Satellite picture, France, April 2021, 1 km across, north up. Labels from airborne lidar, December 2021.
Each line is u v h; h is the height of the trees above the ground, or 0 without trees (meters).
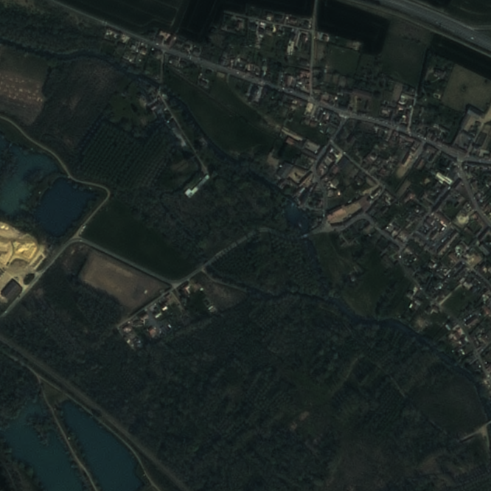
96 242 0
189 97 0
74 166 7
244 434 35
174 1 0
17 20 20
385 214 7
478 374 13
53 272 6
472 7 0
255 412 35
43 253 0
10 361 12
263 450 34
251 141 0
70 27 10
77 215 0
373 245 9
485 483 28
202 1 0
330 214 0
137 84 8
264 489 31
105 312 26
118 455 0
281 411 31
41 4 9
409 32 0
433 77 0
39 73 0
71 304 7
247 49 10
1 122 0
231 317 13
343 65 0
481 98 0
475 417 0
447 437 9
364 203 0
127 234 0
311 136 0
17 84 0
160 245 0
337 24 0
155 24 0
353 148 7
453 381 0
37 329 27
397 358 19
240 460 30
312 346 18
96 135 24
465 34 0
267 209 27
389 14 0
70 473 0
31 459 0
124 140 27
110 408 15
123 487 0
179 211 9
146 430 36
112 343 19
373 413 9
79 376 28
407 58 0
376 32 0
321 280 13
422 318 0
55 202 0
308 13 0
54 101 9
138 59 0
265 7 0
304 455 30
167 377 31
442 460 18
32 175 18
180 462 30
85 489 17
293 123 0
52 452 0
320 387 21
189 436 22
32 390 22
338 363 37
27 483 0
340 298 7
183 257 17
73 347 31
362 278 12
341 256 0
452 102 0
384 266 0
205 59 0
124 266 0
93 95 7
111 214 0
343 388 0
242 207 21
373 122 0
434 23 0
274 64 6
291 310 18
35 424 8
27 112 18
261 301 24
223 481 40
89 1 0
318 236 0
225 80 0
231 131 0
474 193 0
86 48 15
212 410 33
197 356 23
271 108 7
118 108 0
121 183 26
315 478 29
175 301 0
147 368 9
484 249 0
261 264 26
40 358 19
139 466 0
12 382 11
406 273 0
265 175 8
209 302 0
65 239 0
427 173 9
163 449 21
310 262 19
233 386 0
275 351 31
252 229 10
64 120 6
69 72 6
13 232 0
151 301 0
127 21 0
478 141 0
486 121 0
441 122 0
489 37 0
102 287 0
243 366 33
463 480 0
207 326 8
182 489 0
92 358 10
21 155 0
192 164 13
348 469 0
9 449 18
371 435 10
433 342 16
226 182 20
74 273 11
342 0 0
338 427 0
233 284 22
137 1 0
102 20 0
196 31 0
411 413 33
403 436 38
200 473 34
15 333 22
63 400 0
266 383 31
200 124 0
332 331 9
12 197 0
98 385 17
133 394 7
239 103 0
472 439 0
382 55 0
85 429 0
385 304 20
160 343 27
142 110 0
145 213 10
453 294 13
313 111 0
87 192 0
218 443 26
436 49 0
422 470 0
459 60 0
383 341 23
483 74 0
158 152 29
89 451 0
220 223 23
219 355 11
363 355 21
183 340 12
